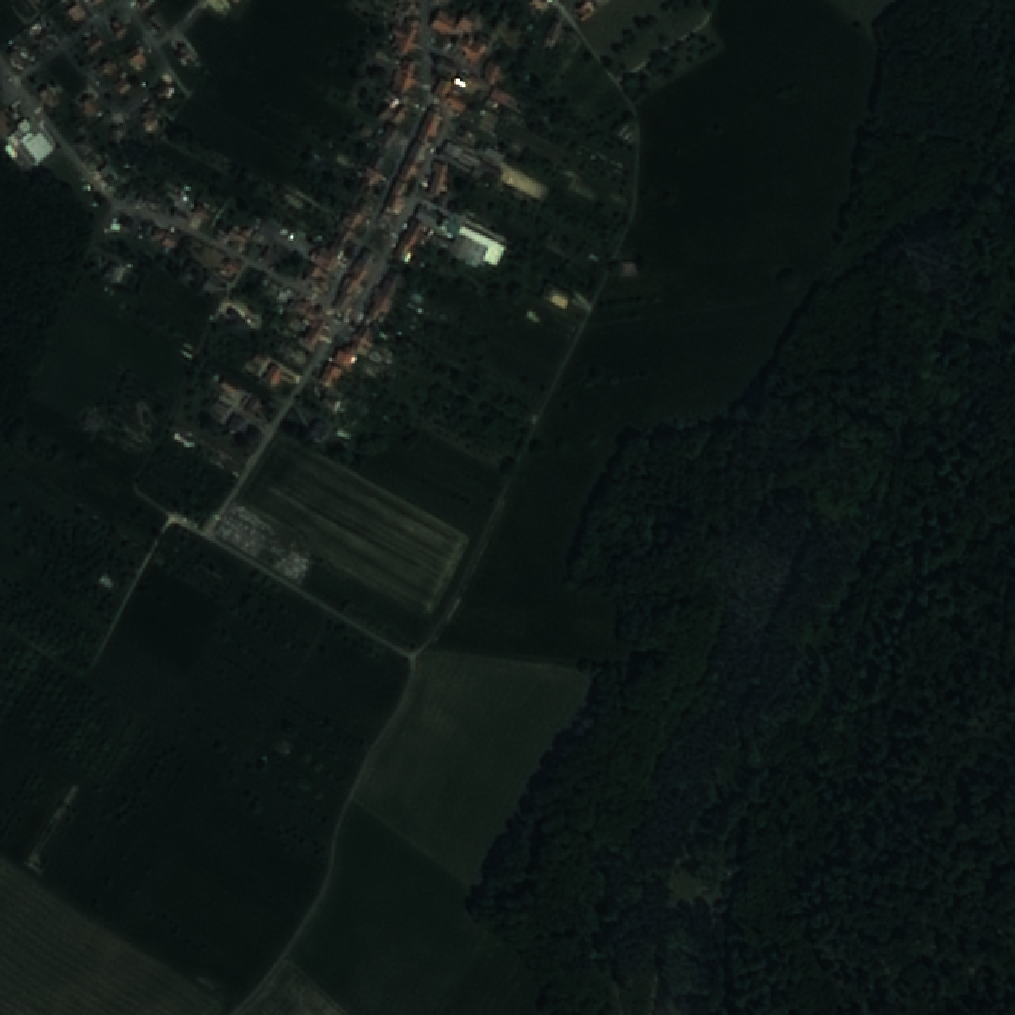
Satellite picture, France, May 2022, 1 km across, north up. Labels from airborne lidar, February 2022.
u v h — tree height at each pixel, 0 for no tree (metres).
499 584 0
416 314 0
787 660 37
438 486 0
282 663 0
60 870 0
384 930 0
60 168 0
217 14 0
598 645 0
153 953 0
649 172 0
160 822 0
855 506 39
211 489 0
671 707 31
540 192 0
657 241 0
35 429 0
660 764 30
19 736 0
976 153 18
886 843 30
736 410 16
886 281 26
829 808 35
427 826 0
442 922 0
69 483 0
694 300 0
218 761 0
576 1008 30
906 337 29
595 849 32
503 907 26
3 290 17
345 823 0
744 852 19
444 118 0
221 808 0
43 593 0
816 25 0
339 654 0
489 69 0
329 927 0
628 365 0
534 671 0
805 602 34
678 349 0
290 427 13
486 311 0
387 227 0
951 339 37
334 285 0
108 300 0
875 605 11
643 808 31
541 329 0
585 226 6
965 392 18
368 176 0
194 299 0
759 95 0
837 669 15
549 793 25
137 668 0
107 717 0
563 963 27
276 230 0
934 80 13
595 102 0
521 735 0
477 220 0
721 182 0
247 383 0
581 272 0
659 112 0
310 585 0
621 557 27
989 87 21
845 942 31
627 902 28
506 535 0
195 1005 0
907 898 27
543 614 0
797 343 14
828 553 32
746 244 0
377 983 0
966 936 31
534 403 0
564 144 7
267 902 0
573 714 0
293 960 0
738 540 32
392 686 0
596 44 0
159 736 0
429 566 0
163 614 0
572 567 16
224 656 0
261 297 6
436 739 0
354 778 0
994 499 19
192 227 0
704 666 28
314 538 0
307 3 0
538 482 0
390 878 0
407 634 0
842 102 0
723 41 0
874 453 34
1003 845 29
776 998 34
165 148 0
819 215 0
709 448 29
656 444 24
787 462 26
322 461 0
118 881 0
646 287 0
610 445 0
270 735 0
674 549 27
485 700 0
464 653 0
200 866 0
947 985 31
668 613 23
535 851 26
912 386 35
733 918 12
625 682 22
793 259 0
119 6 0
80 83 0
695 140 0
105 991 0
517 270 9
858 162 18
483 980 0
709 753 32
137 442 0
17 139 0
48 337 14
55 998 0
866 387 33
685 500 29
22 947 0
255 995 0
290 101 0
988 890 29
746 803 18
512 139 0
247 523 0
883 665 34
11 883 0
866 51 0
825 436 29
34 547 10
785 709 28
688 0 15
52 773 0
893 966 27
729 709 34
